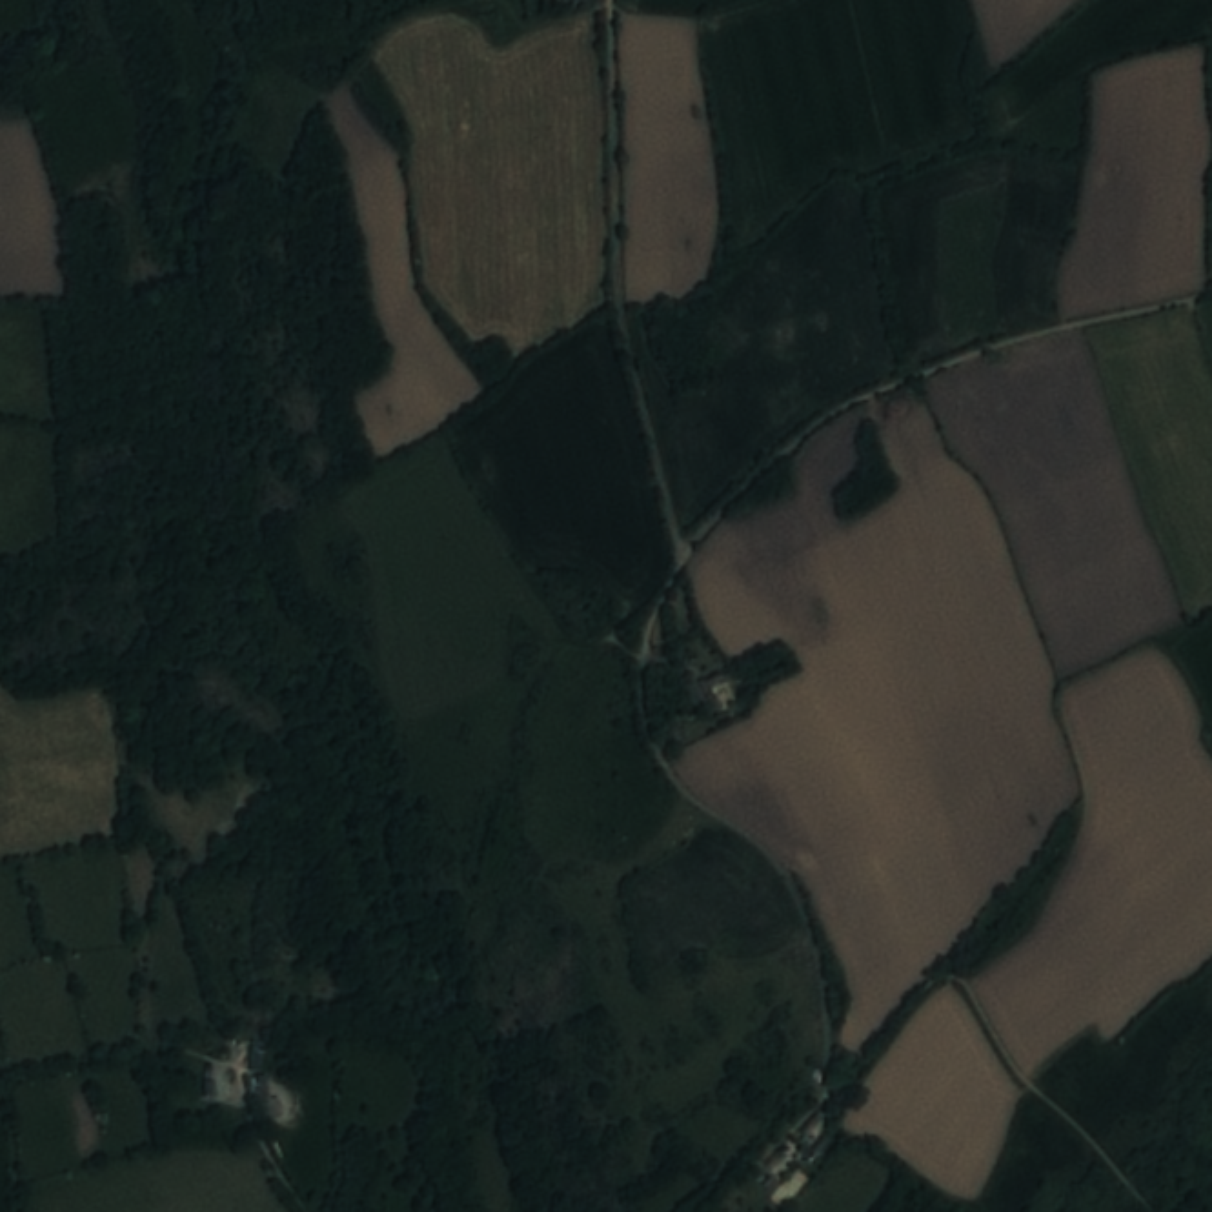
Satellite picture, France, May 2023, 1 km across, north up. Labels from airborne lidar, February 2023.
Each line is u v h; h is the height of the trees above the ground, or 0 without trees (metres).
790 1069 0
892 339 10
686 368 10
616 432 0
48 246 0
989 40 0
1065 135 0
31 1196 9
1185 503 0
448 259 0
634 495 0
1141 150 0
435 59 0
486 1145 0
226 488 25
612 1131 9
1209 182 10
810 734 0
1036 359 0
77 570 11
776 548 0
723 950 0
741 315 0
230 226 16
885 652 0
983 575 0
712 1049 0
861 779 0
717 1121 0
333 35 9
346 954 19
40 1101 0
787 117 0
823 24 0
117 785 8
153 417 19
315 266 8
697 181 0
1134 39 0
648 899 0
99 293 16
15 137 0
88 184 0
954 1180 0
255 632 18
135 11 12
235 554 17
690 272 0
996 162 0
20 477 0
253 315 8
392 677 0
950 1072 0
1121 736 0
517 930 0
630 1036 0
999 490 0
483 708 0
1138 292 0
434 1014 21
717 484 0
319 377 12
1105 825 0
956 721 0
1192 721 0
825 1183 0
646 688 8
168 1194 0
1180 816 0
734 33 0
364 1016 17
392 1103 0
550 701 0
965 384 0
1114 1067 0
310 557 0
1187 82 0
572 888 0
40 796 0
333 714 14
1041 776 0
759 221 0
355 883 7
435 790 0
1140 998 0
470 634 0
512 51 0
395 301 0
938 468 0
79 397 14
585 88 0
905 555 0
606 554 0
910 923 0
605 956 0
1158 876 0
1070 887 0
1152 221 0
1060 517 0
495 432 0
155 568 12
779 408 0
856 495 12
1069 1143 0
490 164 0
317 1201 6
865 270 0
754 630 0
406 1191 13
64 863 0
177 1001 0
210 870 11
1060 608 0
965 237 0
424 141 0
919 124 0
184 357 21
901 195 0
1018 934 0
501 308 0
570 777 0
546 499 0
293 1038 13
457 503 0
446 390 0
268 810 16
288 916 7
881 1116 0
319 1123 0
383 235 0
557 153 0
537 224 0
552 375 0
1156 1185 7
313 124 10
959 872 0
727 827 0
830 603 0
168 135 17
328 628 18
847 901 0
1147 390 0
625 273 0
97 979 0
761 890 0
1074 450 0
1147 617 0
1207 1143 6
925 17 0
